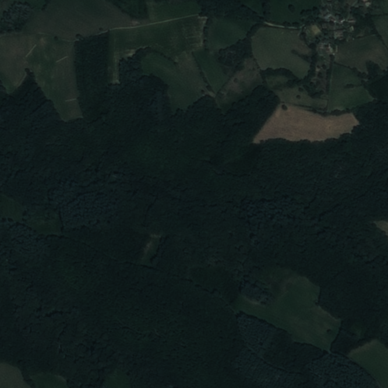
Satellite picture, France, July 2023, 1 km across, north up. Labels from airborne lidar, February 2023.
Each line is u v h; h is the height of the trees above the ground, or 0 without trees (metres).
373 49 0
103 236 25
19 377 0
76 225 32
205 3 15
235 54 7
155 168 19
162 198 30
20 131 24
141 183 31
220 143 18
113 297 19
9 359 23
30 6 22
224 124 24
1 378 0
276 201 26
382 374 0
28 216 19
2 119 31
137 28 0
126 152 18
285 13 0
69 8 0
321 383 27
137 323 19
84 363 33
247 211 24
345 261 24
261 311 0
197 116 19
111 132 26
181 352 21
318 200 15
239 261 29
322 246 21
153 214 27
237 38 0
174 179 22
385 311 22
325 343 0
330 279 20
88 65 7
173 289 21
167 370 27
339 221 18
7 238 23
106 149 25
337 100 0
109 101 20
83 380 34
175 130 21
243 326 32
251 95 9
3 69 0
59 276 17
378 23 0
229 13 9
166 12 0
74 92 0
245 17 10
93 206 39
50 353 30
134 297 22
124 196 29
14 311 26
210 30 11
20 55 0
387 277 30
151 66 0
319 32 0
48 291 23
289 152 11
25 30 0
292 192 24
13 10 14
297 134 0
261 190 23
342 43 10
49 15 0
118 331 19
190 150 23
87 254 19
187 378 19
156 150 15
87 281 19
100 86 8
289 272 0
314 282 17
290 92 0
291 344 17
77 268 19
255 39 0
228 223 31
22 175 24
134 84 20
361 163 12
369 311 21
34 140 30
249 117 19
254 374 21
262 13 0
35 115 29
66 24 0
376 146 15
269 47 0
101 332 21
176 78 0
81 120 14
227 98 0
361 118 11
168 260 24
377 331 22
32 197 24
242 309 0
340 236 23
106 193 27
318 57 9
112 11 0
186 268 25
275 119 0
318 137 0
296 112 0
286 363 13
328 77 7
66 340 33
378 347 0
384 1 0
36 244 34
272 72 16
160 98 32
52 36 0
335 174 12
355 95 0
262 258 26
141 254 18
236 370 19
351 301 20
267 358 16
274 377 21
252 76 0
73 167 29
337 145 15
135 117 21
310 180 15
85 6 0
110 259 19
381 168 19
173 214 30
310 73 12
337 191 19
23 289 31
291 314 0
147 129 20
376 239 6
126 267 19
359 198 19
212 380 21
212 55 0
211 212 27
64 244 19
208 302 23
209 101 16
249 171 11
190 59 0
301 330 0
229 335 22
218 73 0
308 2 0
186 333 21
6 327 26
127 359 33
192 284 22
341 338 15
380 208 17
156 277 21
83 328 31
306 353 22
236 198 27
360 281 21
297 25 12
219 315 24
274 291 0
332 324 0
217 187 19
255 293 38
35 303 36
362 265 24
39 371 22
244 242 35
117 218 33
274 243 22
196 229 29
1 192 14
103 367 21
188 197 23
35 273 20
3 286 25
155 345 19
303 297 0
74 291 16
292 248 25
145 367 26
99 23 0
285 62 0
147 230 25
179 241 27
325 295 21
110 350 31
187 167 20
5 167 27
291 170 16
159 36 0
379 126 16
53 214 23
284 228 18
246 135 17
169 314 20
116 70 0
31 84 8
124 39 0
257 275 23
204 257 28
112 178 21
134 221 29
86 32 0
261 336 33
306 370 17
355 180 23
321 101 0
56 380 0
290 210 26
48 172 24
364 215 17
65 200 37
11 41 0
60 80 0
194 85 0
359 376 31
